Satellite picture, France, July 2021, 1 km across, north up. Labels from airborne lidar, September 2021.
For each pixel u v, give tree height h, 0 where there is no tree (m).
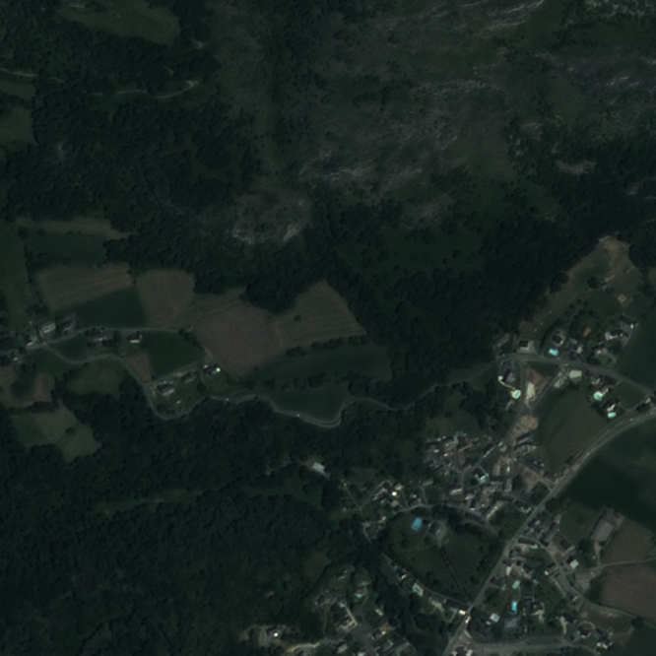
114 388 0
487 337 18
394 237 0
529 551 0
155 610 17
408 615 22
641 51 8
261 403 19
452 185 12
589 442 0
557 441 0
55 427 0
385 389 19
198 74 13
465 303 22
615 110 9
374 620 11
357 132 0
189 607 18
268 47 9
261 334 0
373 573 9
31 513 21
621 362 0
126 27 0
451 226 14
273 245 9
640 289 11
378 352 0
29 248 10
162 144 10
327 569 12
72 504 12
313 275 10
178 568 18
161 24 0
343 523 13
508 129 9
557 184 13
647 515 0
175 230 13
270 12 8
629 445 0
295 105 8
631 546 0
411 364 18
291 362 0
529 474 0
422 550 0
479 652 0
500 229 6
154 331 0
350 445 21
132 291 0
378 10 9
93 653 19
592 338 6
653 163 7
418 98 10
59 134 13
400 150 0
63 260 13
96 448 0
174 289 0
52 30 14
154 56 14
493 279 12
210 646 20
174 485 14
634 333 0
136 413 29
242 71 7
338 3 6
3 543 25
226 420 24
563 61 6
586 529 0
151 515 24
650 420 0
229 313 0
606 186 11
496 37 8
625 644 0
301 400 0
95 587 15
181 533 26
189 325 0
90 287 0
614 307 0
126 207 6
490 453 0
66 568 19
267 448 23
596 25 9
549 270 12
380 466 21
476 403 8
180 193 14
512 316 16
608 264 0
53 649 18
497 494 8
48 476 22
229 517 25
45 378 0
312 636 15
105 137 7
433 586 13
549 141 12
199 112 7
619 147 8
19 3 10
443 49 0
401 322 15
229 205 7
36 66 13
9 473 26
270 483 25
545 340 10
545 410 0
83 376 0
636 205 17
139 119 16
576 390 12
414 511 8
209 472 27
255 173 9
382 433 22
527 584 6
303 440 9
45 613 20
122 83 10
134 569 21
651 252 23
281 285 17
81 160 14
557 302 0
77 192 16
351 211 8
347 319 0
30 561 12
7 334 6
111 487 7
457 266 0
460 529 17
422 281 15
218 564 15
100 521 16
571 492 0
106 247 16
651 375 0
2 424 27
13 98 14
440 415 18
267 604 21
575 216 13
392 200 11
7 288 0
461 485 0
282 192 0
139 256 10
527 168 12
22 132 0
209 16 10
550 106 8
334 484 19
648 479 0
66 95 16
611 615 0
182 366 0
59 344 0
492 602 15
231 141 13
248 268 14
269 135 13
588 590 0
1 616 20
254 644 20
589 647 0
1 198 15
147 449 29
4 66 10
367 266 11
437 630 20
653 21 9
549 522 0
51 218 12
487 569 11
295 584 19
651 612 0
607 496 0
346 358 0
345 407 0
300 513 19
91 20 0
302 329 0
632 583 0
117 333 8
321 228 9
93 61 9
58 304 0
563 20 7
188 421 21
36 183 19
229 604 17
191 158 12
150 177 11
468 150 0
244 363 0
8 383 0
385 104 15
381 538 7
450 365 17
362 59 0
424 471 13
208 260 14
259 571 21
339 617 11
